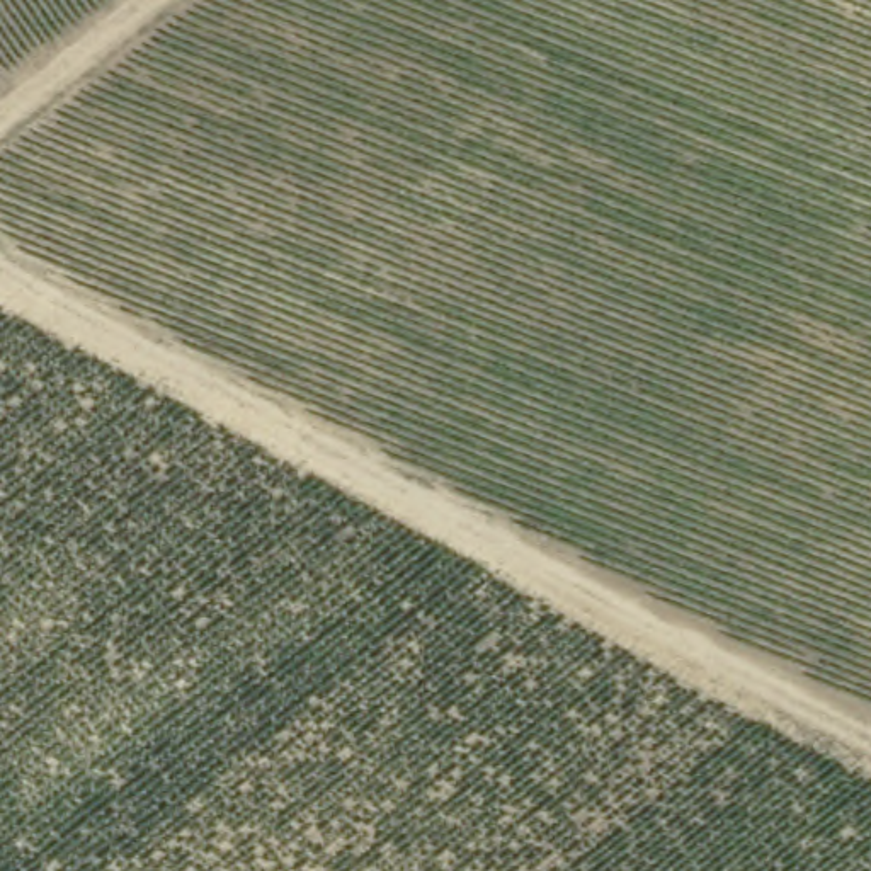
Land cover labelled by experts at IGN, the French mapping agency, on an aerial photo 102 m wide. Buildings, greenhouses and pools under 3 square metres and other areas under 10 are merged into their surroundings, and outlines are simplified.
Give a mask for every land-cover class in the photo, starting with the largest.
<instances>
[{"label":"vineyard","instance_id":"1","mask_svg":"<svg viewBox=\"0 0 871 871\"><path fill-rule=\"evenodd\" d=\"M112 0H0V71L17 68L34 48L51 44L61 34L82 27L85 17L109 10ZM0 231L14 238L24 255L51 262L65 269L75 286L112 299L119 313L153 320L163 330L177 333L184 347L242 371L252 384L265 391H279L299 401L306 415L347 432H361L378 446L381 456L436 473L439 480H446L453 493L507 514L514 527L575 548L578 558L599 568V575L609 585L650 599V609L663 619H677L680 612L694 616L697 629L738 643L759 657L779 660V670L793 680L830 687L827 694L840 708L871 725V0H201L191 10L177 14L174 24L153 27V37L129 51L112 71H105L99 85L82 88L71 99V105L58 109L54 126H41L27 136H17V150L0 153ZM0 871H871V776L844 769L837 759L786 738L766 721H752L732 711L725 701L701 697V691L684 687L674 674L640 660L636 653L616 643H606L599 633L565 619L561 612H551L544 599L517 592L510 582L497 578L480 561L463 558L459 551L405 527L401 521L337 490L320 476H303L293 463L272 456L265 446L235 436L228 425L204 422L197 408L180 405L177 398L150 384H139L133 374L105 364L102 357H92L78 347H65L58 337L44 333L41 327L20 316L3 313L0 306Z\"/></svg>","mask_w":871,"mask_h":871},{"label":"pervious surface","instance_id":"2","mask_svg":"<svg viewBox=\"0 0 871 871\"><path fill-rule=\"evenodd\" d=\"M201 0H112L109 10L85 17L82 27L61 34L51 44L34 48L17 68L0 71V153L17 150V136H27L41 126H54L58 109L71 105V99L82 88L99 85L105 71H112L129 51L153 37V27L174 24L177 14L191 10ZM0 306L3 313L20 316L41 327L44 333L58 337L65 347H78L92 357H102L105 364L133 374L139 384H150L177 398L180 405L197 408L204 422L228 425L235 436L265 446L272 456L293 463L303 476H320L337 490L401 521L405 527L459 551L463 558L480 561L497 578L510 582L517 592L544 599L551 612H561L565 619L599 633L606 643H616L636 653L640 660L674 674L684 687L701 691V697L725 701L732 711L752 721H766L786 738L837 759L844 769L871 776V725L840 708L827 694L830 687L793 680L779 670V660L759 657L738 643L697 629L694 616L680 612L677 619H663L650 609V599L609 585L599 575V568L578 558L575 548L514 527L507 514L453 493L446 480H439L436 473L381 456L378 446L361 432H347L306 415L299 401L279 391H265L252 384L242 371L184 347L177 333L163 330L153 320L119 313L112 299L75 286L65 269L51 262L24 255L14 238L0 231Z\"/></svg>","mask_w":871,"mask_h":871}]
</instances>
